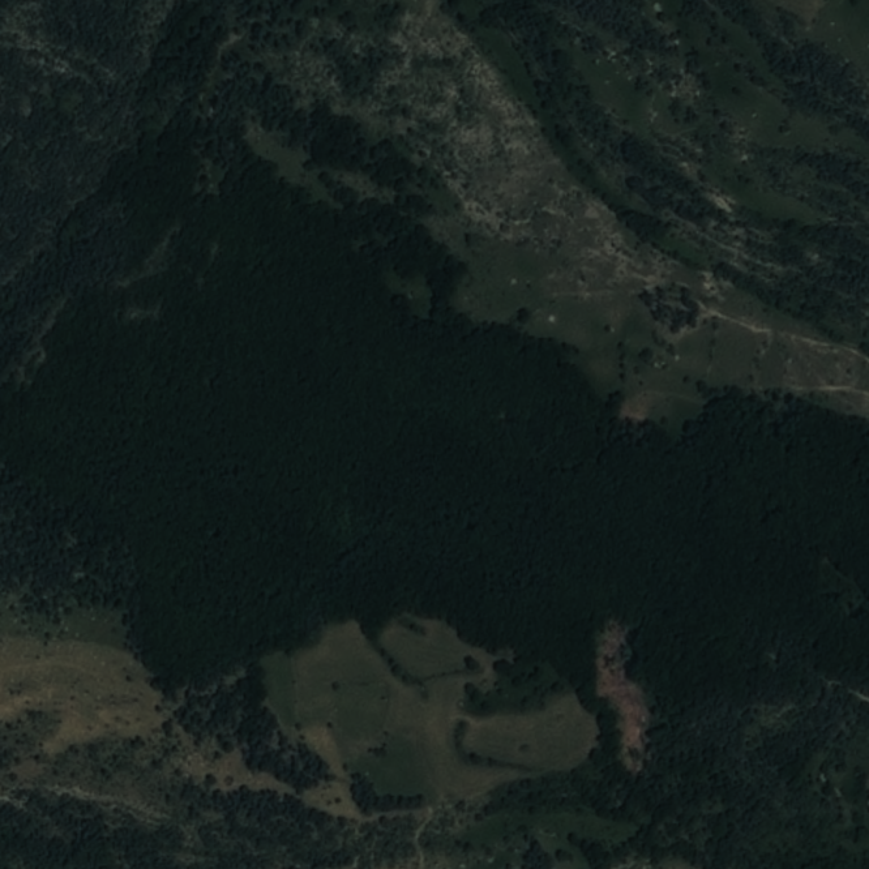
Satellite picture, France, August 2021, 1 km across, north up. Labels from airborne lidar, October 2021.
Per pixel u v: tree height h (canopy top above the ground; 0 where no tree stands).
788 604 25
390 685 0
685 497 21
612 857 12
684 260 9
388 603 21
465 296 0
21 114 6
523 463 26
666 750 15
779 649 22
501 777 0
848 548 28
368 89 7
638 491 19
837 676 13
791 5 0
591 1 14
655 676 20
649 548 18
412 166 9
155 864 12
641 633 25
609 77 0
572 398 21
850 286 14
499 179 0
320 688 0
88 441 13
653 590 27
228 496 23
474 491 23
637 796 16
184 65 17
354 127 8
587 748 0
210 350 17
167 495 20
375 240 12
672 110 7
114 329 14
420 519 19
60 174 7
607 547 20
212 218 18
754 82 10
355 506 15
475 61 0
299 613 19
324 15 6
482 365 19
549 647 19
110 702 0
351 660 0
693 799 13
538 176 0
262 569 21
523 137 0
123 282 5
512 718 0
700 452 19
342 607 16
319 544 22
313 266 17
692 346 0
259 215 15
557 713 0
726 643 21
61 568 8
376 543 18
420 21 0
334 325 13
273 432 21
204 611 13
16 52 8
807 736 13
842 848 7
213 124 16
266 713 11
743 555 26
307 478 21
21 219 8
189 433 16
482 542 20
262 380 10
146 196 16
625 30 10
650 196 17
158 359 18
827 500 22
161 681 12
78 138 7
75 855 20
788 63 15
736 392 14
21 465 15
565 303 0
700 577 25
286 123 20
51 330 7
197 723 8
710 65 0
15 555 6
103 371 17
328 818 11
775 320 0
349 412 21
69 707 0
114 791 0
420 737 0
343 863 10
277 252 16
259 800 9
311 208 17
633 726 0
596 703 19
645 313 0
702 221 19
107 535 9
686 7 7
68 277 8
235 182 8
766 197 0
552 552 20
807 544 28
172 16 16
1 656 0
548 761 0
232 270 14
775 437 20
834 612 21
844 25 0
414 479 23
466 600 19
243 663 8
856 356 0
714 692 17
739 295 0
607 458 27
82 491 16
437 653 0
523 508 20
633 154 20
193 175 16
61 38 6
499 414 22
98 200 12
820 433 22
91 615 0
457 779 0
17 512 7
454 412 22
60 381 17
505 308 0
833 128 7
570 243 0
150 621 17
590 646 24
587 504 19
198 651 22
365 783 11
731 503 24
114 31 6
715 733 10
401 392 22
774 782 10
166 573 19
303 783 12
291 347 19
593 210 0
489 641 19
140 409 16
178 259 10
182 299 18
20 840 14
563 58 15
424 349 20
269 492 20
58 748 0
